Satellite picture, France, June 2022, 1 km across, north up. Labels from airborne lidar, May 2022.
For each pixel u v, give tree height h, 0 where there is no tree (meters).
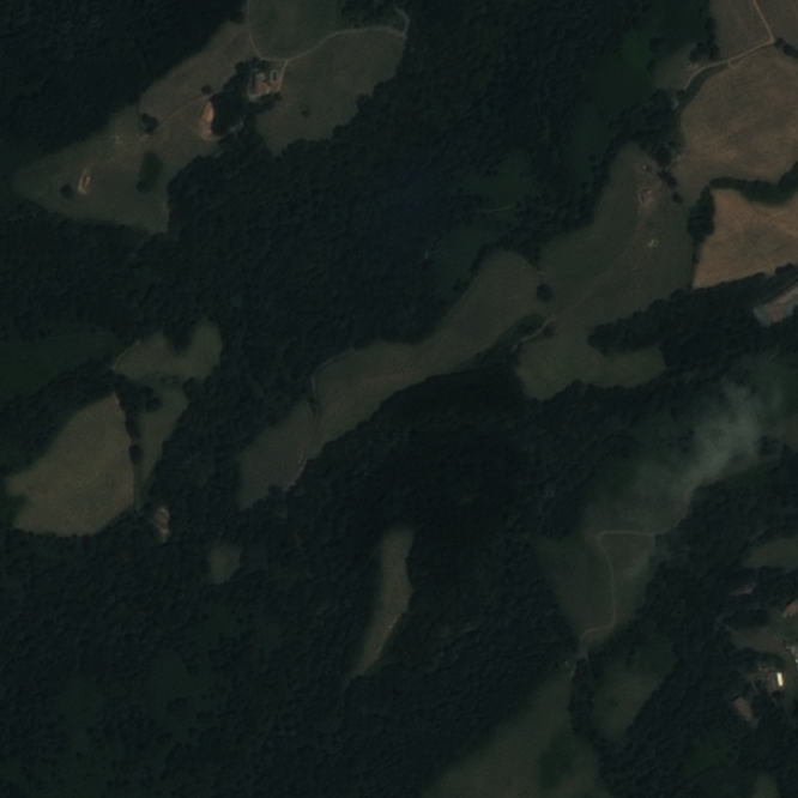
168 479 20
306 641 20
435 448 14
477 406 23
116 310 13
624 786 8
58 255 20
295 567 8
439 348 0
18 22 28
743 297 15
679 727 23
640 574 0
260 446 0
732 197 0
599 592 0
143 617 15
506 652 12
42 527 0
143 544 12
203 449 28
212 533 15
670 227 0
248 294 24
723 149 0
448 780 0
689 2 0
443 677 26
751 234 0
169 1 10
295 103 0
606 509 0
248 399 14
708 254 0
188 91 0
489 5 25
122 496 0
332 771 15
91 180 0
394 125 16
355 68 0
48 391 6
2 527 6
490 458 16
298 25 0
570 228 18
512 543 22
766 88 0
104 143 0
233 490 18
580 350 0
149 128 7
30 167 0
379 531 16
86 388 14
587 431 18
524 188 0
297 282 11
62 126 15
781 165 0
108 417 0
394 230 23
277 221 23
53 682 17
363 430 17
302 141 12
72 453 0
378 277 20
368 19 7
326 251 27
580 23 16
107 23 22
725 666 23
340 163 10
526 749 0
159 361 0
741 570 18
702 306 12
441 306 13
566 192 18
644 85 0
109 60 18
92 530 0
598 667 14
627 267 0
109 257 17
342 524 18
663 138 14
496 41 25
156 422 0
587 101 7
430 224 11
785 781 19
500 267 0
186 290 25
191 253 22
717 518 18
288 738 19
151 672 8
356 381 0
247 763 13
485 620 31
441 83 11
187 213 20
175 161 0
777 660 17
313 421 0
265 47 0
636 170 0
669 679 15
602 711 0
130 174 0
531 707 0
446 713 19
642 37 0
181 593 16
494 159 13
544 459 14
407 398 22
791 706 0
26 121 17
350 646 17
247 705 10
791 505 24
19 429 18
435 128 19
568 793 0
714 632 18
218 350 0
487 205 14
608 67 0
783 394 0
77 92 16
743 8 0
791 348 9
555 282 0
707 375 16
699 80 0
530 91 31
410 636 21
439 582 24
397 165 20
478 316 0
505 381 13
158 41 15
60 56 18
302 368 7
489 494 10
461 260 0
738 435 7
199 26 16
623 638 8
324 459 12
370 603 15
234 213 17
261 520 15
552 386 0
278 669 17
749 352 15
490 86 30
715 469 0
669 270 0
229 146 11
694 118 0
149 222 0
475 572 29
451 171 19
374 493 15
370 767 11
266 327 19
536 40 19
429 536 18
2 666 21
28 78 16
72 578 14
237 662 15
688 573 15
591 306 0
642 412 19
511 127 25
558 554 0
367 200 33
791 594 10
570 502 12
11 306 22
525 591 17
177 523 16
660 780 16
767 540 10
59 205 0
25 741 13
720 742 0
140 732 18
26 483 0
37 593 13
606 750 17
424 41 15
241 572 11
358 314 18
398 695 23
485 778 0
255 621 10
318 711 17
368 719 19
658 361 0
